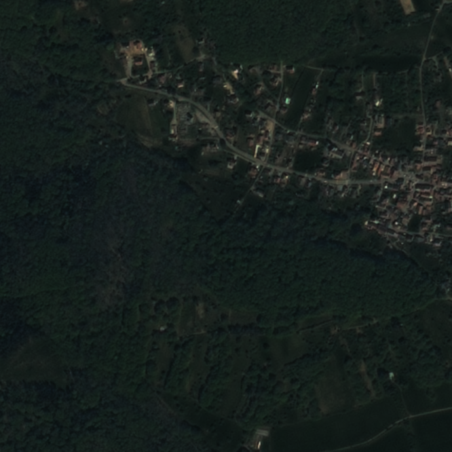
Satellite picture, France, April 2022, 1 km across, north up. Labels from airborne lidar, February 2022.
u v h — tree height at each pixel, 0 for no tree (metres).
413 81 11
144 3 7
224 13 26
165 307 17
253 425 18
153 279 24
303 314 24
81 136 28
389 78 6
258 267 27
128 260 20
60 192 19
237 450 0
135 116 0
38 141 27
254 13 29
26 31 30
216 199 0
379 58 0
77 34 18
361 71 13
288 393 6
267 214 19
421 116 0
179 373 20
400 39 0
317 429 0
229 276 28
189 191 29
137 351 20
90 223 24
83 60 17
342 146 0
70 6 27
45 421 22
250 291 28
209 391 18
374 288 28
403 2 0
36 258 23
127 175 27
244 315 0
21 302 27
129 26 0
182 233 31
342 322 16
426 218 0
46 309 27
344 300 27
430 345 16
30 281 25
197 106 0
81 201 28
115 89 14
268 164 0
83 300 21
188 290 14
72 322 23
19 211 23
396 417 0
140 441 32
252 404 18
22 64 28
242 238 25
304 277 27
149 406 27
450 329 0
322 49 10
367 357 10
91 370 28
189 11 0
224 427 0
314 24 26
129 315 24
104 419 31
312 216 19
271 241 29
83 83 13
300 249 22
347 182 0
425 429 0
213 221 19
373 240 8
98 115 20
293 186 7
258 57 23
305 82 0
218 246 28
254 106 20
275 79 0
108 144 14
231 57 25
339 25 11
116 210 23
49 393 22
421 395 0
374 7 0
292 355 0
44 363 0
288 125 9
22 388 20
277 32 24
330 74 0
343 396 0
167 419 23
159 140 0
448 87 0
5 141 27
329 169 9
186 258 27
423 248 0
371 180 0
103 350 24
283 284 30
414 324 5
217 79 0
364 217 14
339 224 23
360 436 0
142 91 0
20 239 25
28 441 25
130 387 27
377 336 12
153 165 29
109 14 0
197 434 26
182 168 20
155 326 0
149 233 29
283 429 0
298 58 18
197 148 0
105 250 25
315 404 14
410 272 24
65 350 31
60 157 32
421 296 18
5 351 31
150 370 20
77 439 28
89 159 28
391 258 23
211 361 15
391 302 22
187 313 0
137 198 24
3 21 25
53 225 25
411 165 0
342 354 0
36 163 32
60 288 20
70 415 28
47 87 21
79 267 27
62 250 27
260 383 19
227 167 0
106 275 24
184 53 0
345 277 27
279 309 19
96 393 32
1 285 26
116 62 0
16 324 29
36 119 27
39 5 27
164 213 29
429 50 0
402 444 0
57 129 20
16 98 30
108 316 20
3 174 29
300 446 0
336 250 27
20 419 30
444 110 0
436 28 0
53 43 8
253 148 0
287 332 16
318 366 19
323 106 7
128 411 34
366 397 21
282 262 28
